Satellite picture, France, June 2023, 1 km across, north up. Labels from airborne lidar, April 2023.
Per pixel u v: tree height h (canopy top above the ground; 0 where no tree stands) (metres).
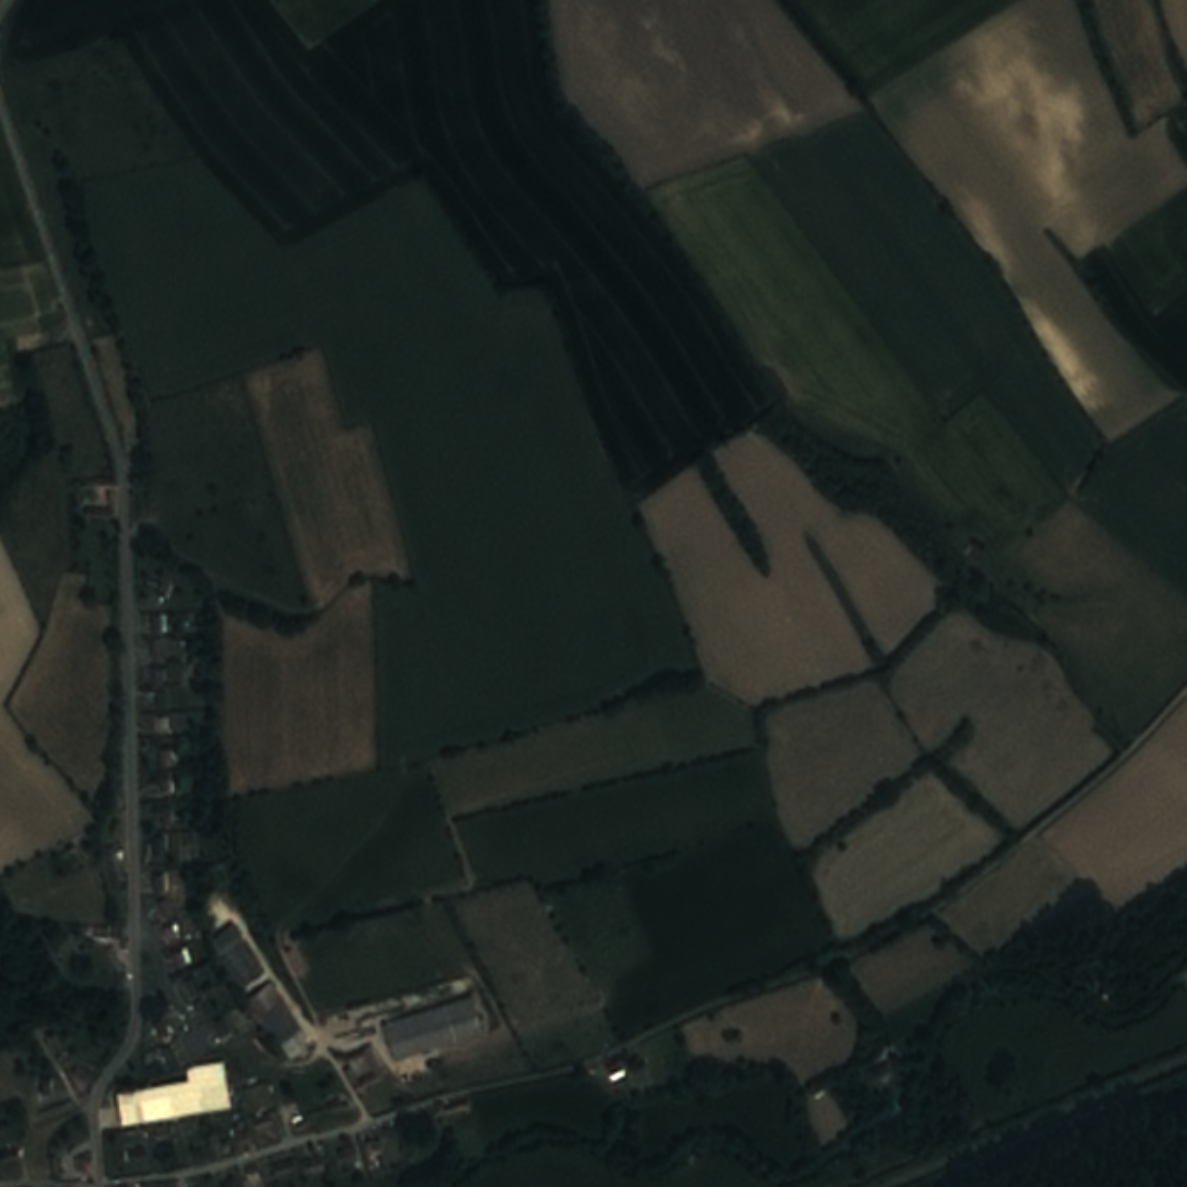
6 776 0
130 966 0
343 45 0
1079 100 0
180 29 0
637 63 0
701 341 0
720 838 0
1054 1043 0
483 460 0
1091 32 6
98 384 0
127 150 0
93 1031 12
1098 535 0
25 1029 20
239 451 0
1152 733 0
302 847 0
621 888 0
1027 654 0
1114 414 0
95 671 0
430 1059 0
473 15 0
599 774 0
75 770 0
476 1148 0
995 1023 0
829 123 0
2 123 0
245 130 0
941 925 10
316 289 0
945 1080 26
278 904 0
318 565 0
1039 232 0
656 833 0
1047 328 0
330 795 0
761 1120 0
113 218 0
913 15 0
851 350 0
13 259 0
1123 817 0
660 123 0
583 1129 0
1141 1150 36
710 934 0
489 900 0
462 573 0
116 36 9
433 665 0
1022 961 10
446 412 0
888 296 0
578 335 0
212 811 9
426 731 0
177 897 0
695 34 0
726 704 0
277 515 0
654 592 0
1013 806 0
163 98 0
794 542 0
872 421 0
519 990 0
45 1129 0
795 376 0
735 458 0
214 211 0
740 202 0
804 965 6
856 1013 15
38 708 0
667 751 0
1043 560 0
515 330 0
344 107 0
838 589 0
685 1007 0
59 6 0
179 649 0
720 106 0
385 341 0
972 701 0
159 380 0
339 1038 0
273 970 8
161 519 0
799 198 0
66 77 0
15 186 0
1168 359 0
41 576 0
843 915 0
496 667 0
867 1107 13
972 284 0
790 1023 0
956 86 0
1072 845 0
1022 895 0
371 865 0
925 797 0
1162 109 0
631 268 0
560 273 0
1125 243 0
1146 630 0
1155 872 0
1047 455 0
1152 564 0
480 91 0
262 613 13
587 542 0
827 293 0
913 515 8
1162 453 0
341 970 0
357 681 0
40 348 0
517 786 0
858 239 0
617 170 7
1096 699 0
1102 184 0
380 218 0
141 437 11
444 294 0
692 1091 17
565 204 0
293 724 0
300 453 0
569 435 0
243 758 0
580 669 0
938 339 0
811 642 0
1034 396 0
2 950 8
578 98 0
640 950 0
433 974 0
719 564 0
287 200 0
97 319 0
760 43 0
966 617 0
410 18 0
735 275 0
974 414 0
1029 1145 32
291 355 6
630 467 0
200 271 0
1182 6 0
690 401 0
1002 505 0
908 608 0
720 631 0
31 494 0
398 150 0
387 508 0
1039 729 0
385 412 0
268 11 0
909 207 0
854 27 0
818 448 6
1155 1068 0
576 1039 0
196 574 13
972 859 0
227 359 0
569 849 0
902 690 0
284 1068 0
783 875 0
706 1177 0
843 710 0
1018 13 0
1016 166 0
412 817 0
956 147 0
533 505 0
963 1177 34
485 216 0
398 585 11
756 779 0
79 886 0
